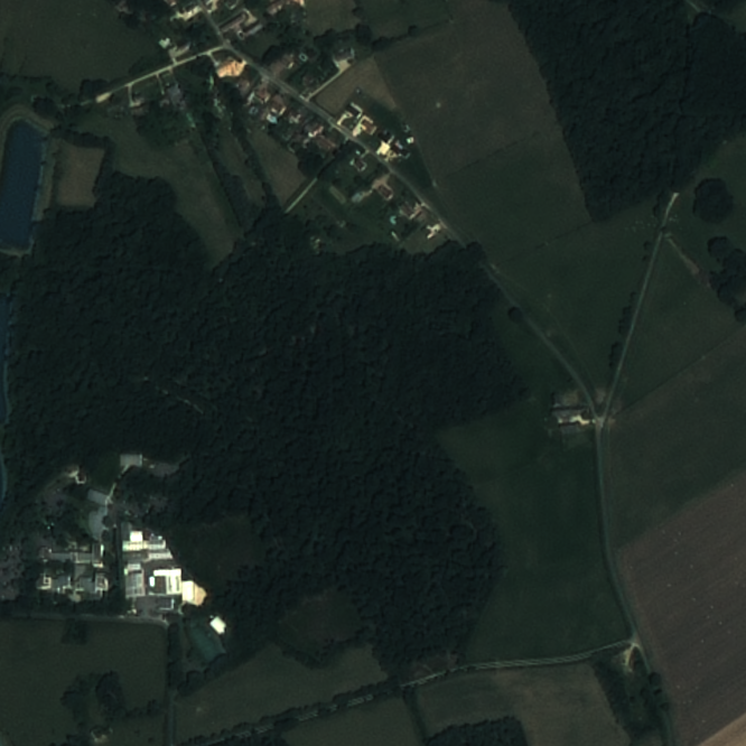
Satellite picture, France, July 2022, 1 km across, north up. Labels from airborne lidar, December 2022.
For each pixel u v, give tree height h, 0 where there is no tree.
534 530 0
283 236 16
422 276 14
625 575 0
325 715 11
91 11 0
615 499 0
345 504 26
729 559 0
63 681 0
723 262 16
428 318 22
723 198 22
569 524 0
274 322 21
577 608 0
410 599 22
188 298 20
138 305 11
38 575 19
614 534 0
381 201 0
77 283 22
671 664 0
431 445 15
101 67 0
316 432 12
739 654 0
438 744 19
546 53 17
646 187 18
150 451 20
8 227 0
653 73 20
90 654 0
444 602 23
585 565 0
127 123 0
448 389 20
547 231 0
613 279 0
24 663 0
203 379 24
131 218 12
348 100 0
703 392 0
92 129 0
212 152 10
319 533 18
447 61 0
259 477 13
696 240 0
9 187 0
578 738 0
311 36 12
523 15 17
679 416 0
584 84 16
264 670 0
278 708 0
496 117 0
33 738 0
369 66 0
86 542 11
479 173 0
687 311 0
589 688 0
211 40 15
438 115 0
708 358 0
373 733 0
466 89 0
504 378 18
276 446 18
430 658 15
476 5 0
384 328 20
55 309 20
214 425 20
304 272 22
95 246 22
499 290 16
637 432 0
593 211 14
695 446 0
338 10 0
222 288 14
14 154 0
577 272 0
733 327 0
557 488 0
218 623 0
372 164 0
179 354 13
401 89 0
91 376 22
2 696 0
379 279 21
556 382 0
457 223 0
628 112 23
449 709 0
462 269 19
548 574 0
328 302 21
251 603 21
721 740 0
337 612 0
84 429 17
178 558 13
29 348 18
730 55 29
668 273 0
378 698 9
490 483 0
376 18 0
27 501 21
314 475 15
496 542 14
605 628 0
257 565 0
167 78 0
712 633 0
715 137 28
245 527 0
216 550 0
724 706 0
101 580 0
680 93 15
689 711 0
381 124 0
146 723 0
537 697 0
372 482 24
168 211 19
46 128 0
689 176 25
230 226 0
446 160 0
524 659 0
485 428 0
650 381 0
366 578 22
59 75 0
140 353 22
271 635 20
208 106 10
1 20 0
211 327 25
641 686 0
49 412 16
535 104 0
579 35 18
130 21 15
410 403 18
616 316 0
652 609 0
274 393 23
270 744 22
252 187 0
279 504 26
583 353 0
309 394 25
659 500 0
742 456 0
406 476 11
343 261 16
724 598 0
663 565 0
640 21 17
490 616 0
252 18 0
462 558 20
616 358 13
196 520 24
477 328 19
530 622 0
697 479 0
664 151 24
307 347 23
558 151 0
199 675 17
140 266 20
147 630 0
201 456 17
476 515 23
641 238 0
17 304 23
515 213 0
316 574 25
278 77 0
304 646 0
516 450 0
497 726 18
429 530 23
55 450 16
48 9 0
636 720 0
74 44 0
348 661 0
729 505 0
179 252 15
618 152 23
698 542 0
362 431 14
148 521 13
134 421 11
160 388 15
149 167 0
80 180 0
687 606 0
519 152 0
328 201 0
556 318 0
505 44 0
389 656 16
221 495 21
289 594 24
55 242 17
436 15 0
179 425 16
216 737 10
